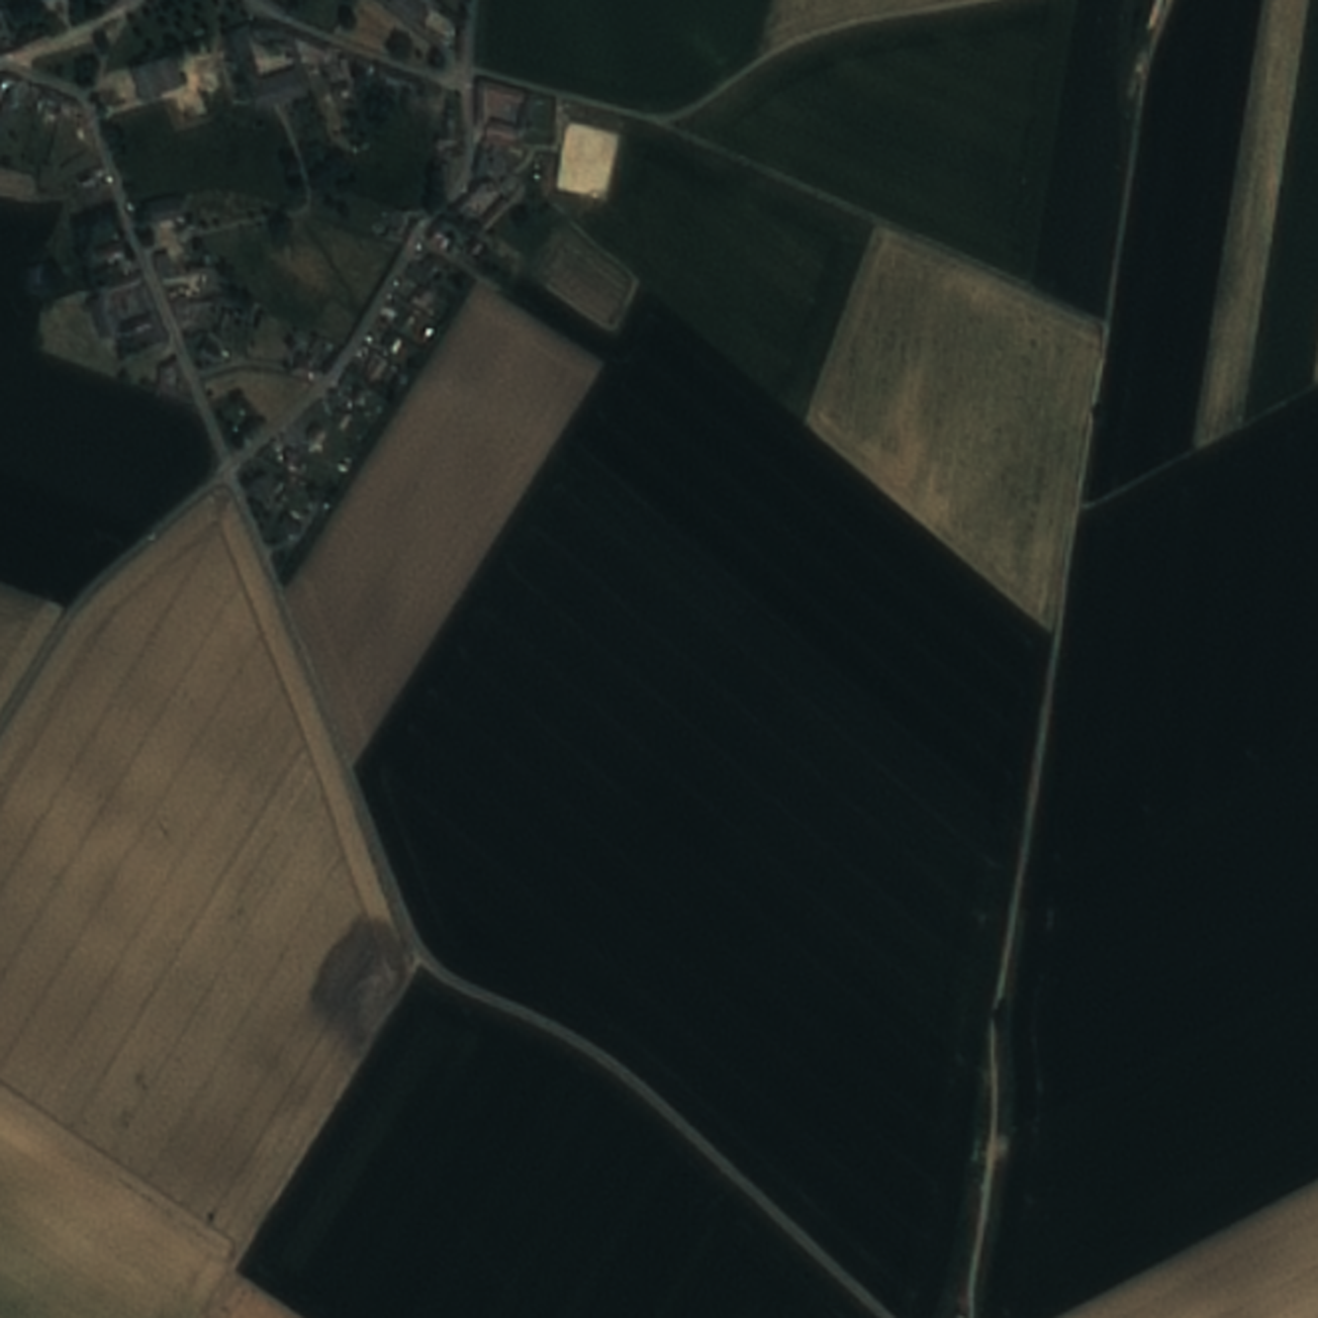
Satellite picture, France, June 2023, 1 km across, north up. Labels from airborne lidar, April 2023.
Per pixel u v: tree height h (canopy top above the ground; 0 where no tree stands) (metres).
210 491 0
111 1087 0
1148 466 0
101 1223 0
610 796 0
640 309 0
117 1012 0
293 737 0
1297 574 0
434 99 0
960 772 0
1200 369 0
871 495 0
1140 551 0
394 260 0
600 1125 0
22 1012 0
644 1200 0
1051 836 0
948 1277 0
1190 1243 0
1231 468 0
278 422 0
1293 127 0
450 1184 0
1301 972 0
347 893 0
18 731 0
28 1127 0
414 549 0
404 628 0
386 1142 0
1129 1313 0
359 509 0
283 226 13
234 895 0
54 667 0
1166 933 0
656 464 0
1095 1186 0
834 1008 0
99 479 0
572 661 0
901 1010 0
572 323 0
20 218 0
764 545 0
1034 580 0
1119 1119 0
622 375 0
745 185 0
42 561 0
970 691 0
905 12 0
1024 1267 0
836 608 0
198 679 0
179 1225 0
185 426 0
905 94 0
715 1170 0
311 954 0
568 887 0
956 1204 0
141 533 0
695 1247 0
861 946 0
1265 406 0
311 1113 0
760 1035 0
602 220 0
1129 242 0
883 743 0
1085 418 0
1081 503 0
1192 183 0
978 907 0
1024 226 0
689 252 0
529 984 0
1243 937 0
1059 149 0
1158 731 0
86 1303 0
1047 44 0
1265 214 0
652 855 0
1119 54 0
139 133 0
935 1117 0
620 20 0
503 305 0
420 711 0
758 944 0
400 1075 0
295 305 0
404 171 0
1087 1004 0
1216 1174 0
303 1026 0
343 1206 0
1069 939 0
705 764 0
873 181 0
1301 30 0
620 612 0
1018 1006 0
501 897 0
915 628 0
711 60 0
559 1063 0
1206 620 0
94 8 13
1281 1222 0
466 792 0
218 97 0
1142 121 0
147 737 0
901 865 0
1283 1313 0
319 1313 0
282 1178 0
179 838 0
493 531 0
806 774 0
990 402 0
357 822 0
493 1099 0
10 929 0
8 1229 0
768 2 0
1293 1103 0
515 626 0
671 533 0
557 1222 0
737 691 0
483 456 0
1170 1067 0
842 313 0
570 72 0
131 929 0
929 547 0
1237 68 0
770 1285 0
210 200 0
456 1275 0
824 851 0
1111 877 0
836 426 0
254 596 0
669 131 0
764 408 0
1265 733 0
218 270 7
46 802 0
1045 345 0
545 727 0
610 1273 0
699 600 0
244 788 0
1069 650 0
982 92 0
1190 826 0
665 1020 0
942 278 0
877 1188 0
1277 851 0
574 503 0
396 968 0
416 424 0
